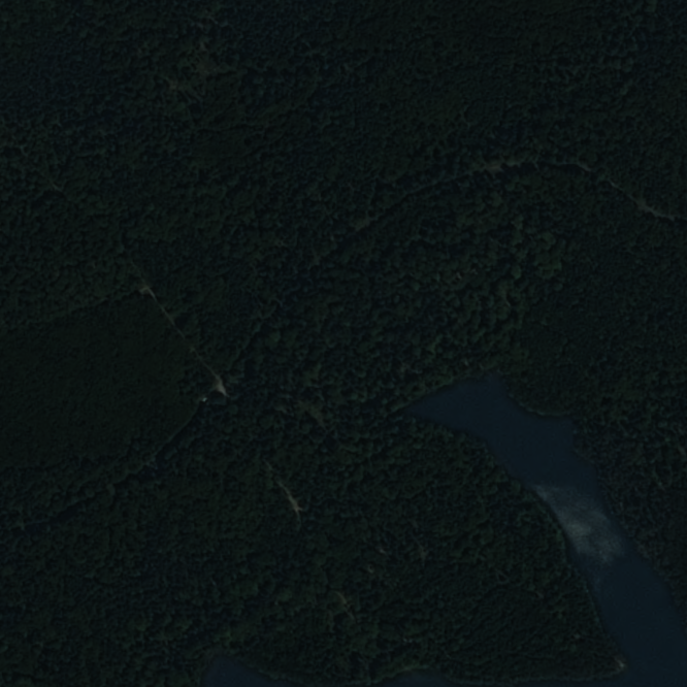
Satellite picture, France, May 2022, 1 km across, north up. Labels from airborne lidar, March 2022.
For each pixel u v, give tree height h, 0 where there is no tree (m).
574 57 12
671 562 10
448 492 24
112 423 13
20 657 22
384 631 30
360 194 11
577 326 17
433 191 12
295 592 34
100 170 21
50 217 23
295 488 15
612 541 0
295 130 12
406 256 34
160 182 16
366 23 14
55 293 28
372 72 21
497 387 0
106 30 22
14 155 23
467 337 18
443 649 16
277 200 17
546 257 30
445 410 0
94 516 24
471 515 18
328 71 20
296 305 31
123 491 21
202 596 18
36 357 13
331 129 15
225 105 9
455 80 14
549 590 11
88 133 27
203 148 11
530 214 31
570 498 0
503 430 0
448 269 25
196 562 26
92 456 13
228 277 24
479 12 11
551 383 19
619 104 17
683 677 0
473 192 34
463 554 19
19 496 24
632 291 20
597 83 15
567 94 14
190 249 20
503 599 12
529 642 16
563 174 18
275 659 18
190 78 33
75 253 28
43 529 29
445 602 23
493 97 14
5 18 20
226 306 25
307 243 21
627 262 20
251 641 40
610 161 16
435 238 28
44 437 14
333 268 28
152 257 18
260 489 21
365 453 18
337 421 15
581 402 20
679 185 16
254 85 19
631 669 0
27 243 28
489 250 32
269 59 10
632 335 15
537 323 17
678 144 14
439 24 18
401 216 17
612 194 24
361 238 19
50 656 19
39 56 25
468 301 31
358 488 20
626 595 0
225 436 23
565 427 0
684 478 17
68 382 13
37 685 30
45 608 24
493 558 15
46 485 24
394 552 22
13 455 15
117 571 19
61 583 21
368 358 17
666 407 19
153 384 13
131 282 18
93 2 28
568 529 0
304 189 26
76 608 26
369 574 24
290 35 30
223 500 20
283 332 24
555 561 27
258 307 27
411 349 27
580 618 15
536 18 16
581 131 26
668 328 21
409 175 5
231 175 19
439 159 27
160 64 30
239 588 30
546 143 27
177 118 30
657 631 0
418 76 10
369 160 14
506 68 14
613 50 26
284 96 24
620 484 27
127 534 22
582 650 13
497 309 30
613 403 25
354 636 29
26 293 27
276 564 31
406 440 25
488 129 13
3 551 30
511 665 12
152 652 31
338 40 24
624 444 33
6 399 12
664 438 20
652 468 20
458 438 19
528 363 22
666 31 23
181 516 25
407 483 18
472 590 15
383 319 29
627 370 27
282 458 13
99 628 25
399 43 23
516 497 24
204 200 21
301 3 25
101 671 23
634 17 28
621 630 0
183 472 21
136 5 23
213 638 33
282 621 37
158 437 11
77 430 15
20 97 26
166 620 23
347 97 17
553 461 0
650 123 13
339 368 20
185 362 12
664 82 21
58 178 24
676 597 11
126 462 23
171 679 31
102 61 18
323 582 26
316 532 30
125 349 13
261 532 20
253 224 11
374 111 17
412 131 14
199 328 15
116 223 23
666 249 25
